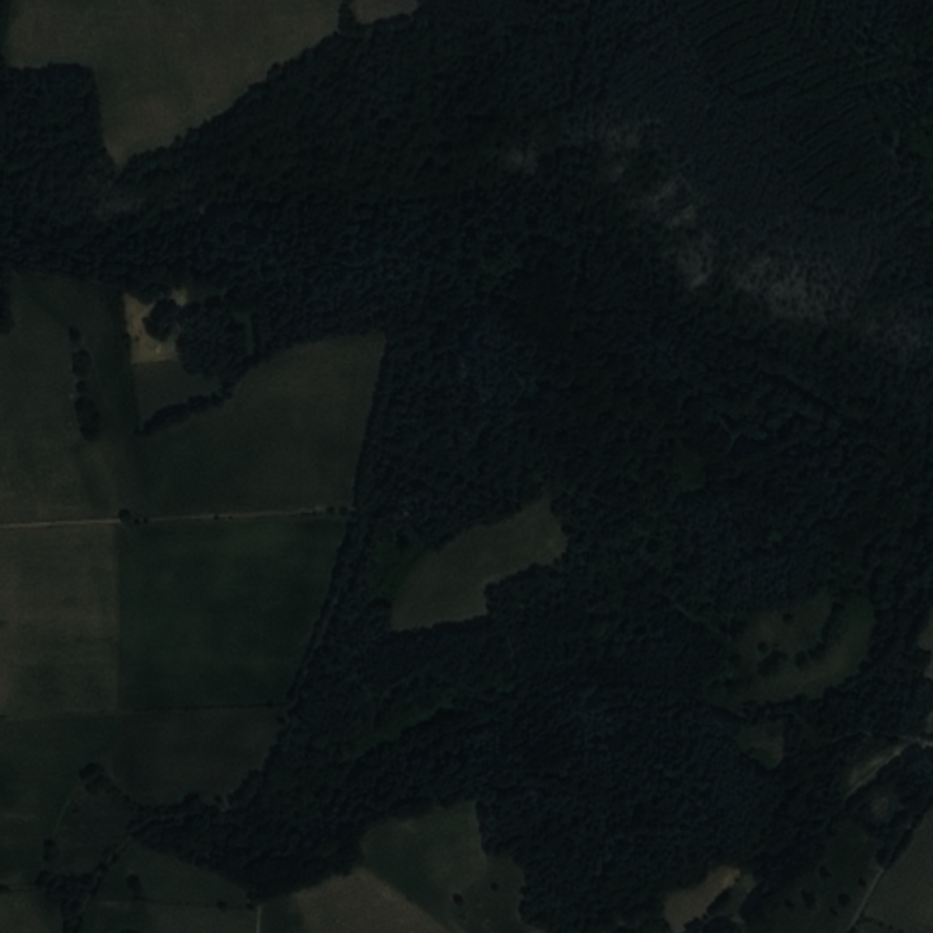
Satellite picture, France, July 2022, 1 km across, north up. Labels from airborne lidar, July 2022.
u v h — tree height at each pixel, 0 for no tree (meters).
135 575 0
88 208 10
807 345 8
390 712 20
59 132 17
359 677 8
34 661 0
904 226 10
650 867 22
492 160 17
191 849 6
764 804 28
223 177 22
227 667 0
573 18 11
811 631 0
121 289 12
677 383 31
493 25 17
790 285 6
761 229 7
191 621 0
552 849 20
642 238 16
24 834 0
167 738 0
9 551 0
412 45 17
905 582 31
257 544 0
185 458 0
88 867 0
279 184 6
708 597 10
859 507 25
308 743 8
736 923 18
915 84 16
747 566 23
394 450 14
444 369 14
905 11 27
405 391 15
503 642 16
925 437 14
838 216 18
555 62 17
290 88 15
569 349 27
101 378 0
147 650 0
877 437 21
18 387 0
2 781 0
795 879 21
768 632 0
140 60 0
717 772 31
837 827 7
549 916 14
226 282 13
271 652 0
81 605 0
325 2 0
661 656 23
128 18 0
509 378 34
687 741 18
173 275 22
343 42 14
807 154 6
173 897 0
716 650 19
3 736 0
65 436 0
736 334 7
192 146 17
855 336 12
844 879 0
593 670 17
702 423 32
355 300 15
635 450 12
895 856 11
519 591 14
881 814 0
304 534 0
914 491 21
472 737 26
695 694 22
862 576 20
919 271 12
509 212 30
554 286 27
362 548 13
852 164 9
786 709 11
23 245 19
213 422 0
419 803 25
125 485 0
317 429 0
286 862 22
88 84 9
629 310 35
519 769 30
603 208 20
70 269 10
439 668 20
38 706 0
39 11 0
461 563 0
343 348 0
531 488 13
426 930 0
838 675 0
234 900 0
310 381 0
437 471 6
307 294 18
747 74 8
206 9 0
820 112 10
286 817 11
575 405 24
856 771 0
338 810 10
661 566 9
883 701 13
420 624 0
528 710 25
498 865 0
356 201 12
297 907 0
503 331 31
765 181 17
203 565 0
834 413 30
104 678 0
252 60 0
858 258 11
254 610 0
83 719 0
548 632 19
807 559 25
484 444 20
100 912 0
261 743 0
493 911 0
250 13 0
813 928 0
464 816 0
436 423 17
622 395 22
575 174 20
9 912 0
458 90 16
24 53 0
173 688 0
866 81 7
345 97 20
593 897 13
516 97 14
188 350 18
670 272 7
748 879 0
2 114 19
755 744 0
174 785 0
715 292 12
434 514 21
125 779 0
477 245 12
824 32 25
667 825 33
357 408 0
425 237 19
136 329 0
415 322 10
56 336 0
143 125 0
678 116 14
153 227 11
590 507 13
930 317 13
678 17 13
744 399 32
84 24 0
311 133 12
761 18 11
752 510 24
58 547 0
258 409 0
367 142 17
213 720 0
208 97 0
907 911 0
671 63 15
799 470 19
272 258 16
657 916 18
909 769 13
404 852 0
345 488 0
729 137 15
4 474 0
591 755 36
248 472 0
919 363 10
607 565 7
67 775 0
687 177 14
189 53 0
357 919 0
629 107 13
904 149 9
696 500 25
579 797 22
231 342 15
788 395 29
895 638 26
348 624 13
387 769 14
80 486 0
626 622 18
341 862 17
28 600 0
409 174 20
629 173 10
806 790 15
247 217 11
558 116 22
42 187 14
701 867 27
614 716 31
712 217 8
